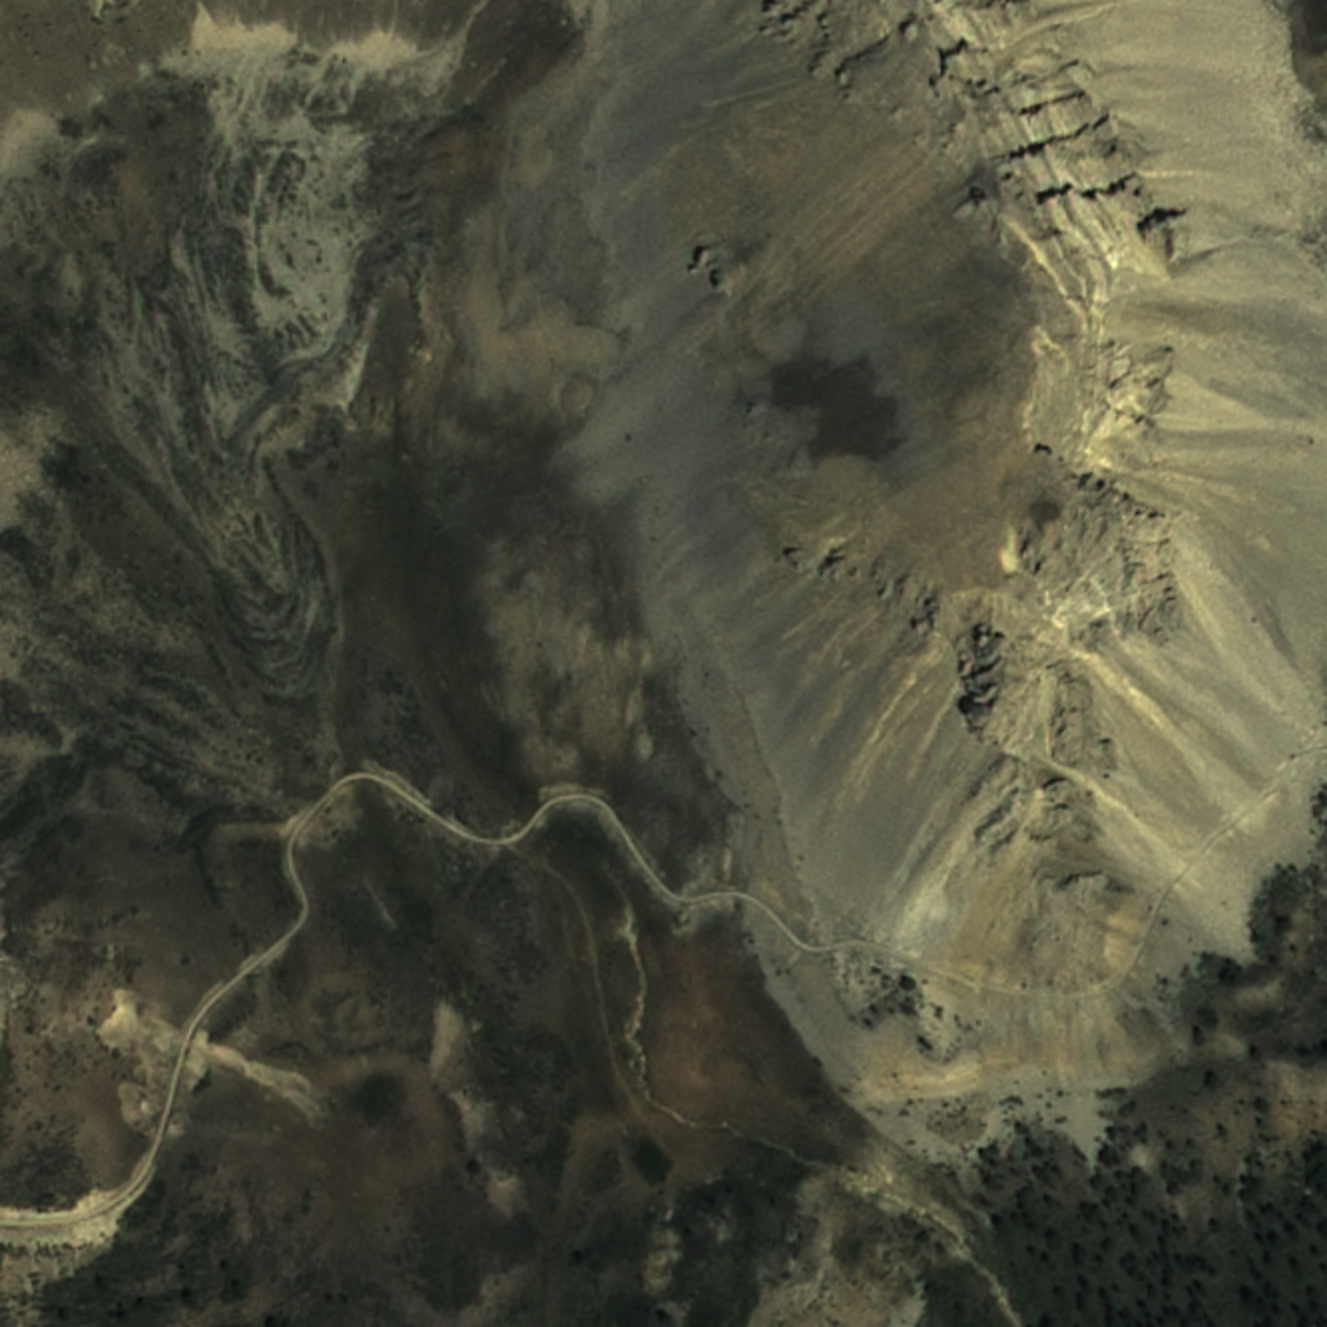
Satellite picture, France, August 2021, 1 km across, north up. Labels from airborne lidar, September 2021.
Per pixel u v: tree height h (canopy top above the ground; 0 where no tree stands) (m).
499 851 0
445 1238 0
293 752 0
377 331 0
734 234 0
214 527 0
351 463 0
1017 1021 0
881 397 0
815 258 0
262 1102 0
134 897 0
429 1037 0
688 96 0
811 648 0
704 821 0
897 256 0
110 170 0
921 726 0
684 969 0
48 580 0
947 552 0
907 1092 0
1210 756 0
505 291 0
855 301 0
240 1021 0
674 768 0
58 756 0
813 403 0
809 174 0
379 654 0
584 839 0
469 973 0
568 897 0
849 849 0
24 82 0
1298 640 0
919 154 0
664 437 0
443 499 0
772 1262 0
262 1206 0
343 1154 0
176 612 0
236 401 0
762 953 0
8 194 0
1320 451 0
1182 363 0
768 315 0
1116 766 0
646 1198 0
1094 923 0
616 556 0
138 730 0
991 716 0
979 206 0
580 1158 0
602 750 0
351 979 0
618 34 0
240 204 0
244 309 0
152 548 0
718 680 0
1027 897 0
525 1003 0
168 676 0
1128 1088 0
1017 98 0
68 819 0
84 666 0
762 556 0
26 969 0
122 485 0
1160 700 0
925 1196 0
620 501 0
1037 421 0
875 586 0
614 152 0
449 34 0
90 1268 0
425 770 0
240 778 0
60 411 0
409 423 0
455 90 0
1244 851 0
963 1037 0
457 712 0
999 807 0
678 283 0
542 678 0
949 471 0
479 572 0
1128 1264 12
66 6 0
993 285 0
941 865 0
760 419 0
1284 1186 0
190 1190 0
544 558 0
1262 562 0
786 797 0
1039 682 0
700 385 0
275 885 0
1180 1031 0
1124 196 0
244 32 0
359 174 0
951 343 0
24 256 0
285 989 0
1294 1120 0
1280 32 0
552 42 0
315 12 0
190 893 0
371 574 0
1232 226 0
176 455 0
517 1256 0
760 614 0
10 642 0
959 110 0
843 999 0
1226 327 0
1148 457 0
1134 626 0
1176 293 0
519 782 0
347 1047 0
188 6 0
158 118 0
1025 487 0
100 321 0
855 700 0
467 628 0
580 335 0
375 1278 0
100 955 0
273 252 0
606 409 0
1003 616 0
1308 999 0
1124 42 0
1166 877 0
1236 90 0
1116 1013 0
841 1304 0
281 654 0
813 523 0
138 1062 0
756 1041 0
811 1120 0
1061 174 0
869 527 0
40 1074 0
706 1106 0
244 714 0
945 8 0
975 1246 0
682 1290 0
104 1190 0
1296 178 0
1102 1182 12
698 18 0
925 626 0
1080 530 0
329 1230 0
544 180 0
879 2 0
